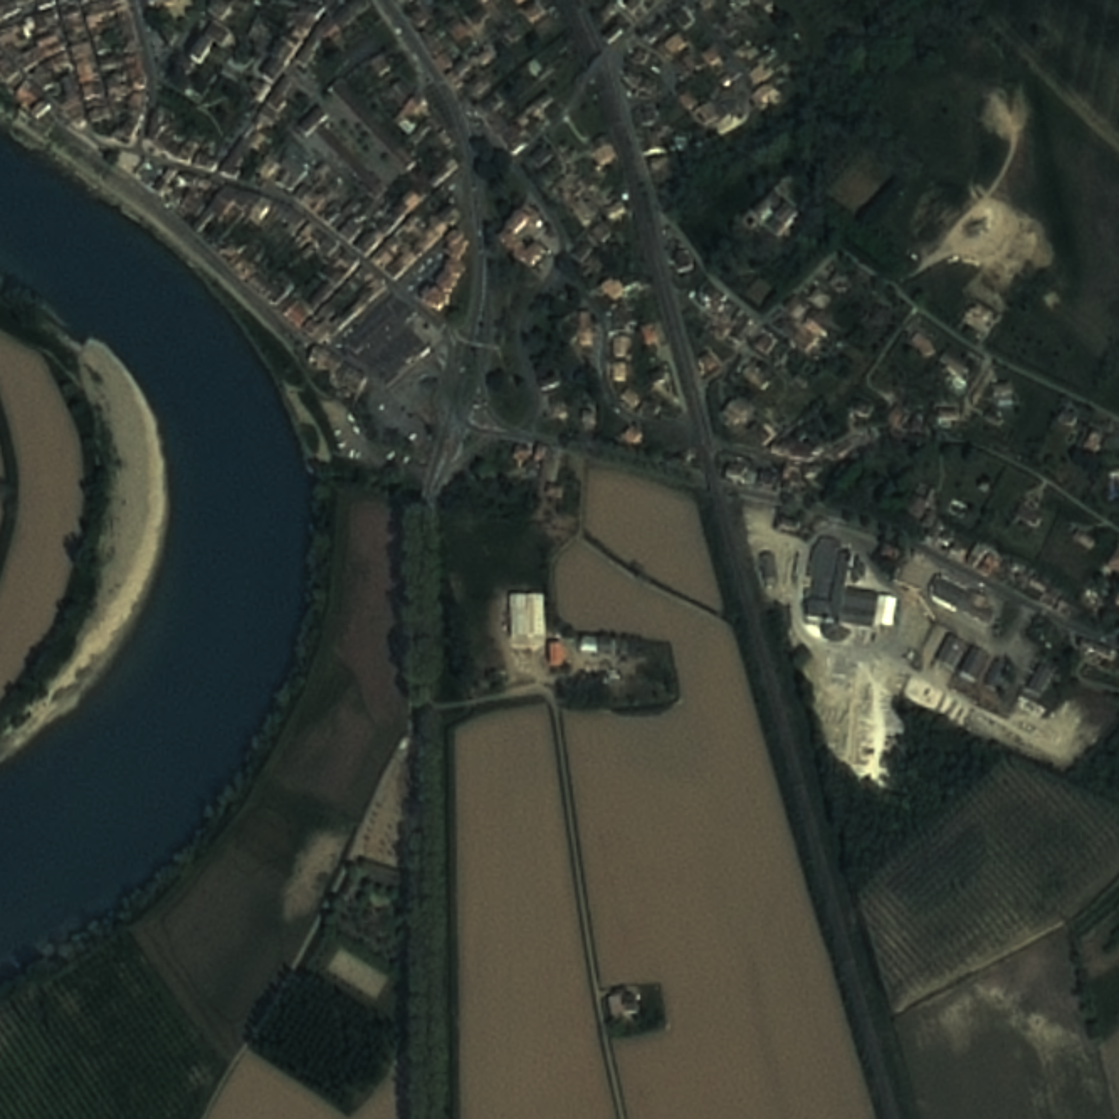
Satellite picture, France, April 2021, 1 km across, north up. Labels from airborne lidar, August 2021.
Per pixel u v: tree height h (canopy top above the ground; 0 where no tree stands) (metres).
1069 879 0
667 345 0
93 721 0
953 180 0
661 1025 8
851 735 0
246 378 0
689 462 16
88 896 0
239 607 0
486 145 10
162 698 0
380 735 0
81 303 0
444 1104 32
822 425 6
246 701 0
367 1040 23
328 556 10
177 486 0
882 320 7
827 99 10
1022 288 10
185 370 0
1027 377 0
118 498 0
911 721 21
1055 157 0
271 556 0
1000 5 0
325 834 0
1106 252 0
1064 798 0
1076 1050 0
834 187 12
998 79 0
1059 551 0
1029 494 0
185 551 0
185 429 0
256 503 0
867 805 18
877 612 0
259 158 8
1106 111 0
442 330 0
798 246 14
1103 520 0
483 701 0
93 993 16
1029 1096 0
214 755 0
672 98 10
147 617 0
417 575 37
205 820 11
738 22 5
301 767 0
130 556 0
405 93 0
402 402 0
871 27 13
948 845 0
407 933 9
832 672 0
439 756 30
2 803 0
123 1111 22
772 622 6
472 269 0
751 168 19
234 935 0
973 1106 0
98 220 0
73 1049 22
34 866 0
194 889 0
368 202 6
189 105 9
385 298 0
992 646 0
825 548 0
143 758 0
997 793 0
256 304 0
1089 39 0
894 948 0
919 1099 0
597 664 0
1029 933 0
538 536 0
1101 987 0
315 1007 24
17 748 0
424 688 35
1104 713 0
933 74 12
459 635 29
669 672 8
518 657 0
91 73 0
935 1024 0
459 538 0
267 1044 19
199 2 10
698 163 20
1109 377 16
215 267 0
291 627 0
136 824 0
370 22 6
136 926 0
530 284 17
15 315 24
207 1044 19
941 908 0
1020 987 0
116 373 0
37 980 29
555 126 0
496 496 15
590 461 20
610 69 0
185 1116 19
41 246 0
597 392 8
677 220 23
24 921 0
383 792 0
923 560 0
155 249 0
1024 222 0
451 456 0
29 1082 23
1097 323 0
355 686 0
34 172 0
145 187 0
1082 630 0
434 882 35
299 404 0
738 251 17
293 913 0
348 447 0
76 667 0
